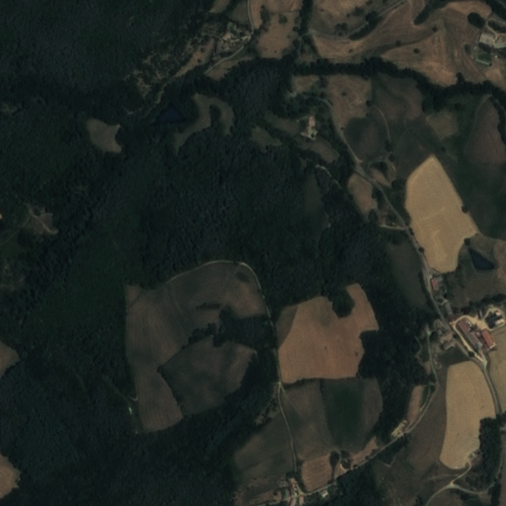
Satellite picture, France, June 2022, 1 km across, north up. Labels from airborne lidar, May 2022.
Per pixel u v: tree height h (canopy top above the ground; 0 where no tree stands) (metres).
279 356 0
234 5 11
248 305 0
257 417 10
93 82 19
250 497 0
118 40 15
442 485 0
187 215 20
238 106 13
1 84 19
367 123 0
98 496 16
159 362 0
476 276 0
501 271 0
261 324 8
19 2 17
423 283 11
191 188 18
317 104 12
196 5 12
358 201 0
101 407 15
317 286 18
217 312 0
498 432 13
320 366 0
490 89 19
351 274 17
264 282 15
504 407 0
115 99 15
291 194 18
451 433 0
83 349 16
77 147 23
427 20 0
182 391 0
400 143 0
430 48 0
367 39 0
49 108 24
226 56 11
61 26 21
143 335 0
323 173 10
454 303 0
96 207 22
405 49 0
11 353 0
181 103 10
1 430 17
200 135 17
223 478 16
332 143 8
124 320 10
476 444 0
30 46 16
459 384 0
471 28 0
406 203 0
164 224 15
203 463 13
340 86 0
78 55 13
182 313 0
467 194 0
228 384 0
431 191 0
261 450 0
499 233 0
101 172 23
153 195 20
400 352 15
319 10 0
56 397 20
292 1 0
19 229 11
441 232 0
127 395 10
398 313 18
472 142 0
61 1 15
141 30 15
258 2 0
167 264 15
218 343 11
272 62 19
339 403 0
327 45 0
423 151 0
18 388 26
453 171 0
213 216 12
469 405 0
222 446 11
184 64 9
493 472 13
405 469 0
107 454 14
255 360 7
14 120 20
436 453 0
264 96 16
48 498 12
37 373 17
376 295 14
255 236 16
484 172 0
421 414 0
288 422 0
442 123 0
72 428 16
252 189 15
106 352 19
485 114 0
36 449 30
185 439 10
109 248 12
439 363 0
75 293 14
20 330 18
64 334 19
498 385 0
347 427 0
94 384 13
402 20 0
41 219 0
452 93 25
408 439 13
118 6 12
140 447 17
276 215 19
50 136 20
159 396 0
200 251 14
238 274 0
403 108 0
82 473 10
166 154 11
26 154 18
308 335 0
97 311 15
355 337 0
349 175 12
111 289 17
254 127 14
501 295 12
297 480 11
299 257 17
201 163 20
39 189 21
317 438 0
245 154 17
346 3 0
